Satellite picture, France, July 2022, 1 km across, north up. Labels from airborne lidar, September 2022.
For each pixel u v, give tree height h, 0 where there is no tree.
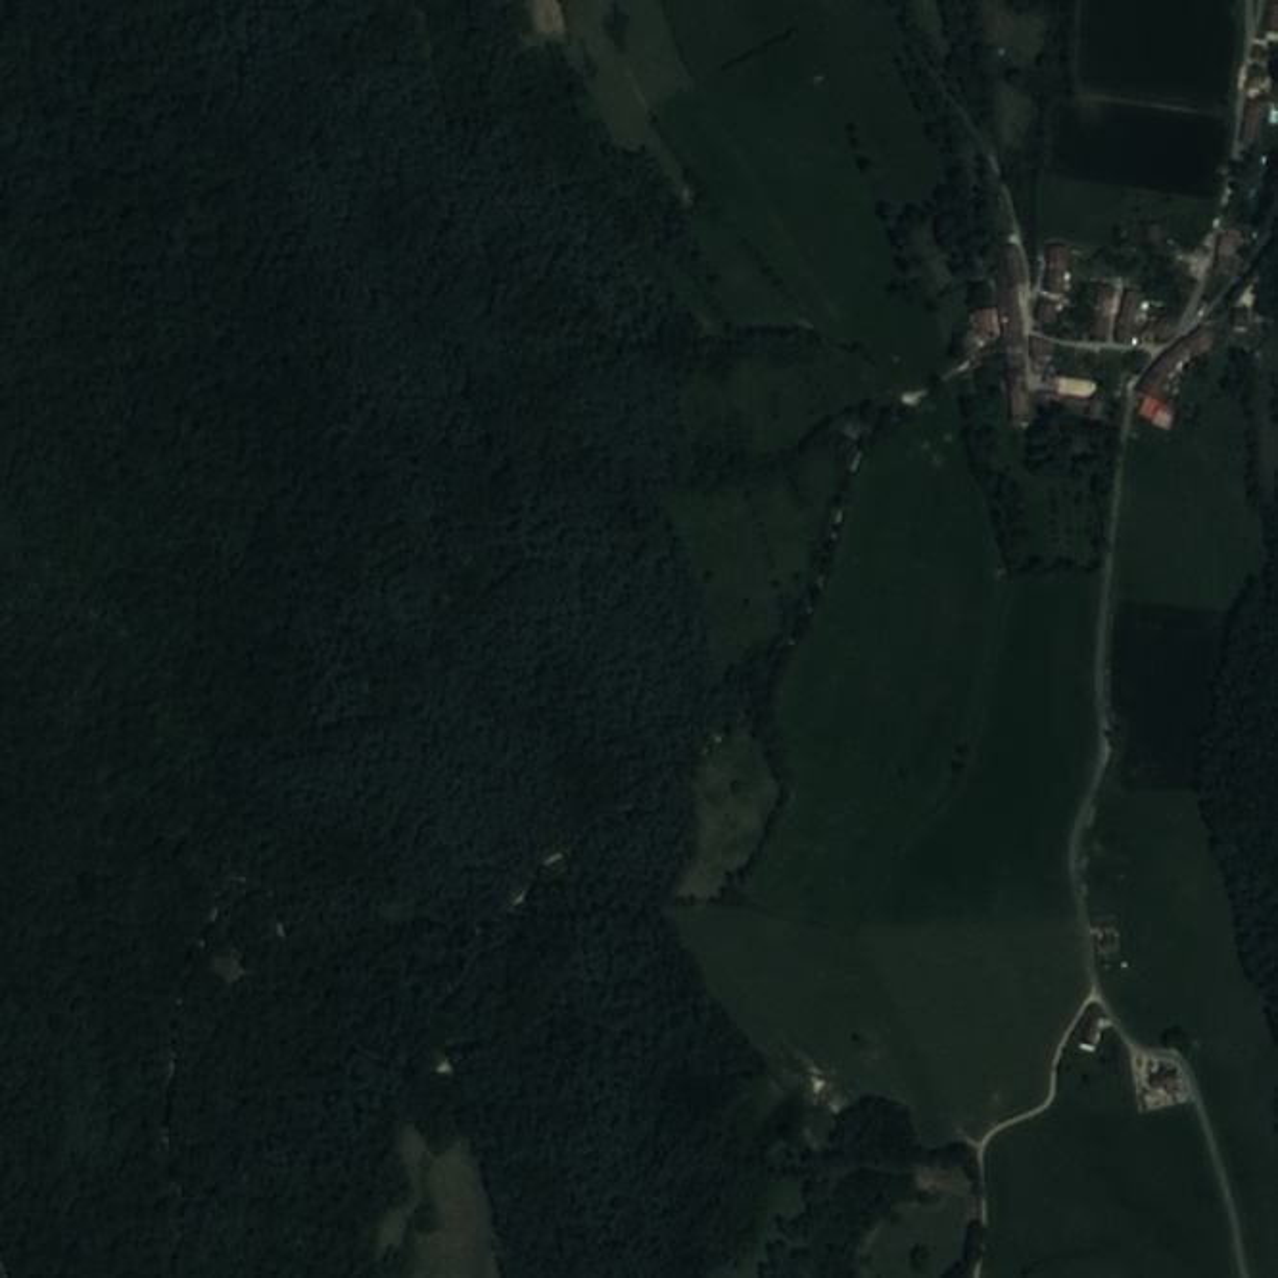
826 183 0
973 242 18
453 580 15
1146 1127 0
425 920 13
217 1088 20
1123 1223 0
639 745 13
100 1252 14
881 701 0
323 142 23
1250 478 7
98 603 13
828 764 0
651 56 0
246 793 15
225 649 19
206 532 16
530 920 20
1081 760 0
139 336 14
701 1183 15
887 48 0
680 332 15
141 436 17
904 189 0
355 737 15
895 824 0
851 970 0
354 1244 14
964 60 17
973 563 0
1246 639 20
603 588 17
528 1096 22
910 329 0
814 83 0
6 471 10
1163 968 0
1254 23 0
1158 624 0
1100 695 0
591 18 0
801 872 0
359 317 25
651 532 19
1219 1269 0
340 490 7
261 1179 20
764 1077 14
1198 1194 0
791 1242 11
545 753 19
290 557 21
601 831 25
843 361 0
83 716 6
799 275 0
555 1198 22
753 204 0
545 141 7
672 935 23
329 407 19
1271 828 13
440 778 18
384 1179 18
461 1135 7
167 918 14
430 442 21
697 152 0
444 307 20
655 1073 17
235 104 20
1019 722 0
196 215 26
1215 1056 0
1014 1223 0
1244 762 19
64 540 14
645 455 21
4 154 19
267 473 17
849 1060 0
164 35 8
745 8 0
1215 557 0
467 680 17
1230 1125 0
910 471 0
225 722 20
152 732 11
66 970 13
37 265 12
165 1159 22
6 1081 12
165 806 12
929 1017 0
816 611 6
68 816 17
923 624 0
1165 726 0
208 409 15
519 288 23
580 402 19
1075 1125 0
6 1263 12
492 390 26
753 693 15
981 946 0
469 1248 0
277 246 17
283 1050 12
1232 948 0
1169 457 0
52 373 11
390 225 22
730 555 0
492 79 21
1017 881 0
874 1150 14
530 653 11
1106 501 12
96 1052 10
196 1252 17
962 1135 0
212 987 18
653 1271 18
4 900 17
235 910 11
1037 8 12
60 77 9
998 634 0
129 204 10
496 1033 17
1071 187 0
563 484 20
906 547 0
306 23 22
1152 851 0
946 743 0
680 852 13
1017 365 0
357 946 14
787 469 11
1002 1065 0
